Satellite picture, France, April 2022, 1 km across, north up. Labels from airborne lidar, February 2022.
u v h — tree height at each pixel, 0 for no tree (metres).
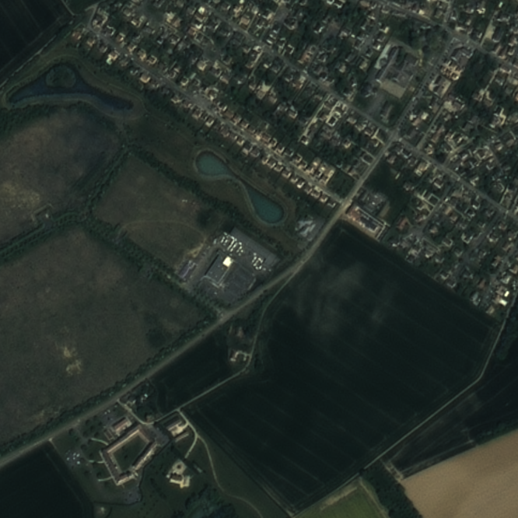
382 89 0
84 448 10
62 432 0
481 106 8
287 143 0
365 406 0
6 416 0
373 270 0
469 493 0
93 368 0
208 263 0
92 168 0
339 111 0
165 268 5
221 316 0
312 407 0
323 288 0
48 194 0
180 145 0
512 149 8
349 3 8
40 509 0
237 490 0
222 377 0
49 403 0
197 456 0
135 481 0
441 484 0
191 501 13
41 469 0
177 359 0
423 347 0
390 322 0
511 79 0
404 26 5
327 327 0
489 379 0
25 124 0
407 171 7
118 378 0
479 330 0
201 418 0
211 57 0
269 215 0
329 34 0
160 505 0
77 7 0
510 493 0
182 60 7
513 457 0
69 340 0
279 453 0
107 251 0
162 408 0
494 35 0
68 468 0
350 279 0
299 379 0
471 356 0
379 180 0
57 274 0
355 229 0
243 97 0
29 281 0
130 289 0
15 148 0
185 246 0
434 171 0
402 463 0
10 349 0
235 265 0
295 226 0
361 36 8
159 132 0
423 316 0
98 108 0
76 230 0
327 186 0
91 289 0
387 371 0
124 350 0
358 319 0
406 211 9
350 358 0
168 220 0
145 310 0
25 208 0
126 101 0
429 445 0
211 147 0
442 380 0
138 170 0
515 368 0
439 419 0
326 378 0
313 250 0
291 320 0
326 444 0
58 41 6
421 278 0
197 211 0
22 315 0
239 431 0
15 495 0
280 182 0
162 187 0
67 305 0
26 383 0
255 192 0
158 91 8
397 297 0
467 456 0
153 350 0
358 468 0
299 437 0
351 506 0
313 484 0
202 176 0
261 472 0
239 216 8
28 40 0
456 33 0
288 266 0
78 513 0
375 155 0
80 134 0
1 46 0
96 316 0
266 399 0
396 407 0
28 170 0
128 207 0
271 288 0
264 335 0
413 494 0
